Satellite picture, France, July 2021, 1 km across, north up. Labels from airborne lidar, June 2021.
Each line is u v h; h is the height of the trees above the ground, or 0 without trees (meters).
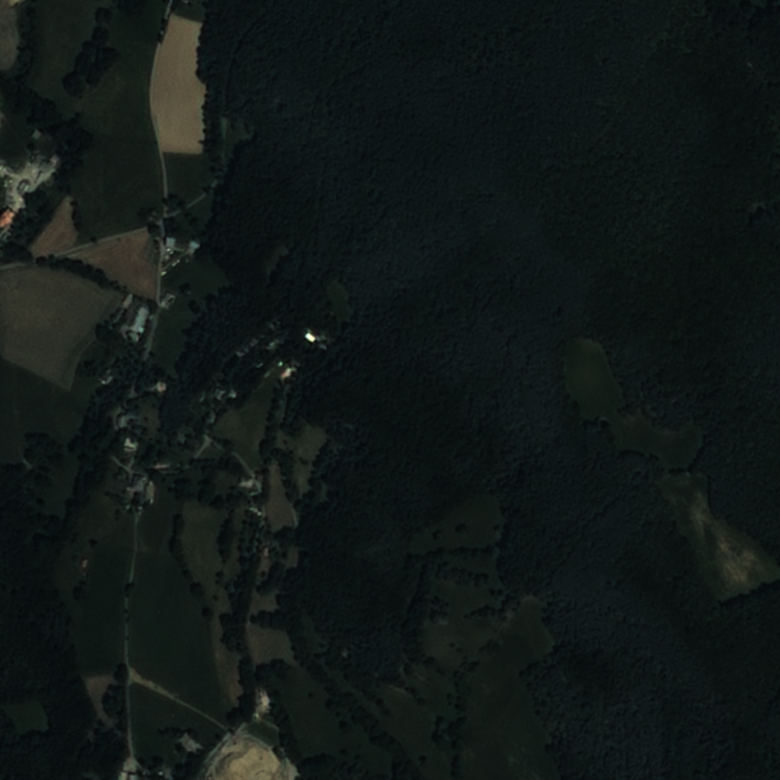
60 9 0
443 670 6
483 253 19
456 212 16
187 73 0
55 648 24
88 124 0
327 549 25
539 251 15
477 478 25
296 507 11
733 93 23
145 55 0
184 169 0
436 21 19
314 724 0
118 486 0
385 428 28
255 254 24
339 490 18
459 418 26
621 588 13
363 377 31
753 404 25
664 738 12
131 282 0
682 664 17
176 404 13
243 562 16
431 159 14
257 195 25
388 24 17
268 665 11
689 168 17
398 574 23
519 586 14
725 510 13
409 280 12
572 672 17
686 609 14
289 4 22
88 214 0
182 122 0
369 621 20
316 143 15
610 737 14
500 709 0
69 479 0
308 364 17
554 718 6
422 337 19
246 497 9
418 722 0
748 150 23
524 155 20
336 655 13
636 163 16
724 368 24
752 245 23
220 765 0
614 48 20
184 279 0
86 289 0
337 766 7
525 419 10
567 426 14
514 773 0
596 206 18
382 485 26
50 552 15
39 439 10
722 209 22
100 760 21
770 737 19
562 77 20
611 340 8
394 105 14
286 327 15
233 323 17
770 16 30
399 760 11
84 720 28
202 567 0
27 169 0
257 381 14
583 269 14
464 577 10
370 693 10
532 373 9
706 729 14
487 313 18
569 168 19
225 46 20
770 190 20
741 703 13
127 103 0
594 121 19
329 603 19
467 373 15
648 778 15
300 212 22
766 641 15
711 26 22
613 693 17
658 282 18
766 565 0
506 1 21
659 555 14
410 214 17
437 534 11
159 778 12
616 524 16
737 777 24
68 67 0
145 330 8
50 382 0
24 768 24
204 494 14
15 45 0
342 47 23
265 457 8
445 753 0
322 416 20
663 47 16
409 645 13
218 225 19
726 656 14
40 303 0
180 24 0
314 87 16
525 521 25
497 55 21
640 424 0
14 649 15
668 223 13
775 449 23
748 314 19
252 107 14
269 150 17
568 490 21
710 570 0
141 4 14
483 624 0
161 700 0
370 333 24
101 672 0
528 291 22
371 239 12
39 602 22
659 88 16
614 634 16
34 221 13
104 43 9
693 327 23
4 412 0
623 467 17
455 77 16
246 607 13
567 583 12
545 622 11
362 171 16
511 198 13
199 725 0
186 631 0
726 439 21
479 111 23
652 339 16
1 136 0
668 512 14
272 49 13
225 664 0
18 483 15
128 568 0
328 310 12
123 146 0
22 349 0
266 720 0
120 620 0
